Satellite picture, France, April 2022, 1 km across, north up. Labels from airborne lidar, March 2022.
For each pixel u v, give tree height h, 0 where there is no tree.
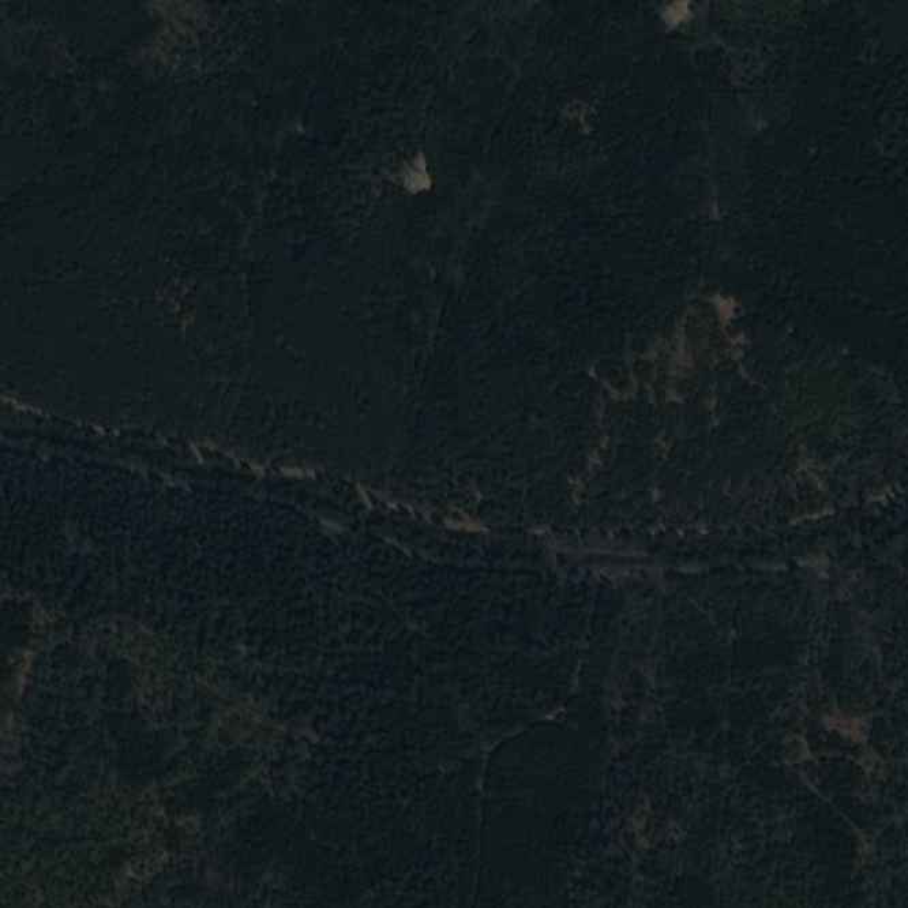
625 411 11
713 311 8
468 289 19
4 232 15
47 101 14
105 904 12
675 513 9
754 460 13
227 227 17
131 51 23
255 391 17
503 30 16
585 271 20
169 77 12
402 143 13
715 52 13
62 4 18
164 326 13
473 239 19
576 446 10
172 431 16
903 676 7
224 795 8
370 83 10
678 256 10
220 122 14
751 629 14
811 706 14
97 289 10
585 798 17
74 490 30
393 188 11
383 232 15
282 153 16
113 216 12
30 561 30
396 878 15
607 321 21
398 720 17
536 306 16
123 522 28
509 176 18
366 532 29
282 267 15
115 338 15
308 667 26
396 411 13
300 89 22
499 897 11
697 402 10
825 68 17
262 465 16
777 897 10
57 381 14
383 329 17
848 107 19
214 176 16
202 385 14
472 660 18
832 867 13
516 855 19
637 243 13
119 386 15
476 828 16
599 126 8
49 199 14
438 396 16
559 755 16
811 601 14
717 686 11
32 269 15
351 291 14
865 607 14
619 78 13
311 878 16
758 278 20
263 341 20
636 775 25
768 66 12
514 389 17
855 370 12
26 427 16
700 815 12
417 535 15
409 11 15
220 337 14
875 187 20
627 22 15
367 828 19
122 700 11
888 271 14
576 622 17
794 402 12
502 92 19
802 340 18
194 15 18
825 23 17
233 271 17
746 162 16
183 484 22
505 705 17
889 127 28
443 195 13
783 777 10
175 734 12
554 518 13
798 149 17
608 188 14
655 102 13
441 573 16
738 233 15
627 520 9
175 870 15
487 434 15
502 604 23
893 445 8
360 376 16
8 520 31
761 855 12
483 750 15
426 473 15
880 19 19
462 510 15
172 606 25
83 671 15
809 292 19
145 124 16
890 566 6
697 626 9
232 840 18
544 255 14
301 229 11
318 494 11
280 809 20
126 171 16
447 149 11
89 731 12
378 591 25
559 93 10
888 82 23
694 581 12
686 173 17
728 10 14
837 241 19
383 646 18
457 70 9
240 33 24
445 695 13
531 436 10
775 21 14
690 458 11
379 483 12
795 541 17
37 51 11
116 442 32
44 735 10
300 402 14
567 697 12
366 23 17
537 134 12
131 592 24
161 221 15
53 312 13
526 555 19
